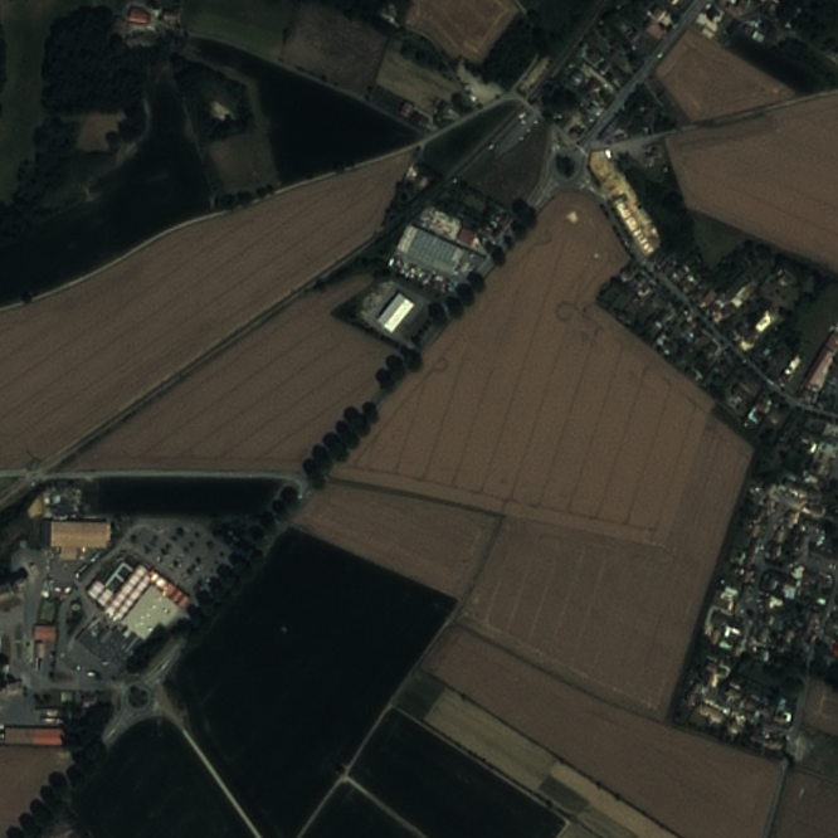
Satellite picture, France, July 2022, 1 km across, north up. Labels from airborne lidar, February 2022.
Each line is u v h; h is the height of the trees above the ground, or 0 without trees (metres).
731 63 0
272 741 0
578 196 0
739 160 0
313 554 0
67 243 0
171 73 0
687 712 0
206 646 0
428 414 0
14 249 0
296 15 0
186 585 0
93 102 17
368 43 0
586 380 0
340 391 0
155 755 0
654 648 0
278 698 0
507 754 0
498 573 0
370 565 0
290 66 0
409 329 0
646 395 0
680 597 0
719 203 0
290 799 0
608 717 0
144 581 0
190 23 0
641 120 7
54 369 0
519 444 0
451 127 0
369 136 0
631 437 0
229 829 0
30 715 0
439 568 0
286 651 0
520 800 0
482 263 0
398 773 0
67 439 0
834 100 0
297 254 0
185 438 0
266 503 0
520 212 20
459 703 0
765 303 6
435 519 0
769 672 10
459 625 0
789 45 10
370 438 0
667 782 0
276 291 0
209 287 0
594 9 0
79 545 0
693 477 0
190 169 0
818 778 0
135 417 0
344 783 0
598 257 0
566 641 0
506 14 0
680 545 0
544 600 0
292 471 0
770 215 0
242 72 0
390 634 0
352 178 0
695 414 0
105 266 0
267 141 0
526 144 0
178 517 0
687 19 0
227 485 0
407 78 0
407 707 0
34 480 0
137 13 0
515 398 0
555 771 0
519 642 0
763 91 0
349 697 0
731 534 0
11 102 0
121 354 0
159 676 0
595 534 0
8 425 0
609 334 0
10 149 0
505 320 0
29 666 0
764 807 0
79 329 0
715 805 0
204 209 0
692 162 0
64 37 23
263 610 0
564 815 0
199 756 0
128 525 0
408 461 0
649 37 0
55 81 17
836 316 0
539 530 0
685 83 0
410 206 6
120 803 0
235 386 0
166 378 0
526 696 0
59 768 0
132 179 0
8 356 0
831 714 0
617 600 0
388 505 0
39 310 0
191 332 0
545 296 0
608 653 0
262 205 0
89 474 0
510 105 0
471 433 0
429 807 0
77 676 0
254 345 0
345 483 0
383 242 5
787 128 0
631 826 0
